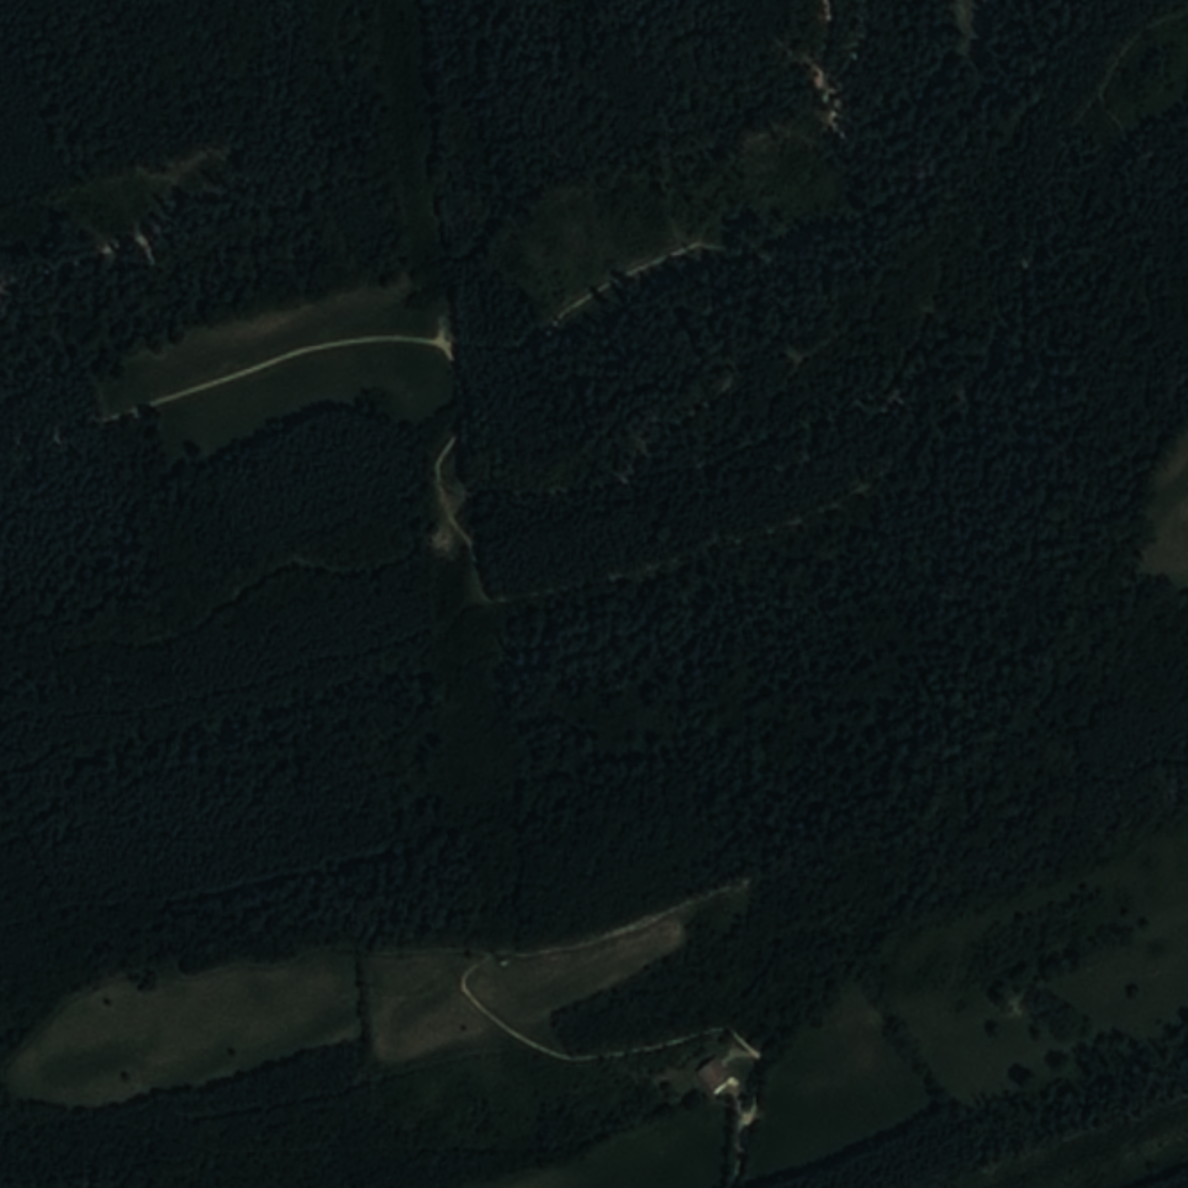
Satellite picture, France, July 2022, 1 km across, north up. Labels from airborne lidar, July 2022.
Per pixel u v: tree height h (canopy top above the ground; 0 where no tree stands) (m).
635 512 22
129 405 0
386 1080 5
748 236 34
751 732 9
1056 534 8
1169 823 22
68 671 22
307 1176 12
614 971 0
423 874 28
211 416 0
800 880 18
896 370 13
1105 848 21
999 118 28
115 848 28
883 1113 0
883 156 36
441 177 21
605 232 0
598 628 32
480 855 10
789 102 30
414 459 23
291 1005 0
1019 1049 0
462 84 25
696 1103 15
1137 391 8
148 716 24
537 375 21
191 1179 12
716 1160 0
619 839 14
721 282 30
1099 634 8
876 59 33
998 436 27
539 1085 5
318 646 23
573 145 20
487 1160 18
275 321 0
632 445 10
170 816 23
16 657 19
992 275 15
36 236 10
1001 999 29
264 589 16
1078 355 17
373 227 11
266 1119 16
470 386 19
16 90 15
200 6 22
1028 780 20
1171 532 0
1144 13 21
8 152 12
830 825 15
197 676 23
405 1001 0
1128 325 14
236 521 17
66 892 23
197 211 29
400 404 0
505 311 25
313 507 17
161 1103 20
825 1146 0
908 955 0
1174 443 29
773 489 23
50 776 20
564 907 13
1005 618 19
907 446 14
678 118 18
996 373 34
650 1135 0
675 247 0
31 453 28
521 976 0
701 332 30
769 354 14
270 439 21
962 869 19
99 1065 0
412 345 0
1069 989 0
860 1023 0
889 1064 0
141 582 14
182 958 14
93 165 23
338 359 0
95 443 34
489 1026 0
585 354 29
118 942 18
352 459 21
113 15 22
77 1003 0
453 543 0
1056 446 27
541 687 33
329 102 30
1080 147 20
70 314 22
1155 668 18
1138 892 0
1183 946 0
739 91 18
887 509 21
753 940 15
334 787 22
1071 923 11
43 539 34
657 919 0
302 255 22
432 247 6
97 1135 15
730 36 19
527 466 16
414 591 21
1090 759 22
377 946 13
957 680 22
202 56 23
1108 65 15
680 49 22
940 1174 12
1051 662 12
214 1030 0
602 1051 9
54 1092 0
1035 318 14
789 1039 22
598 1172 0
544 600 6
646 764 21
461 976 0
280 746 28
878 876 10
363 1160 18
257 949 17
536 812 13
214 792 21
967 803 6
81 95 22
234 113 22
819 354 7
